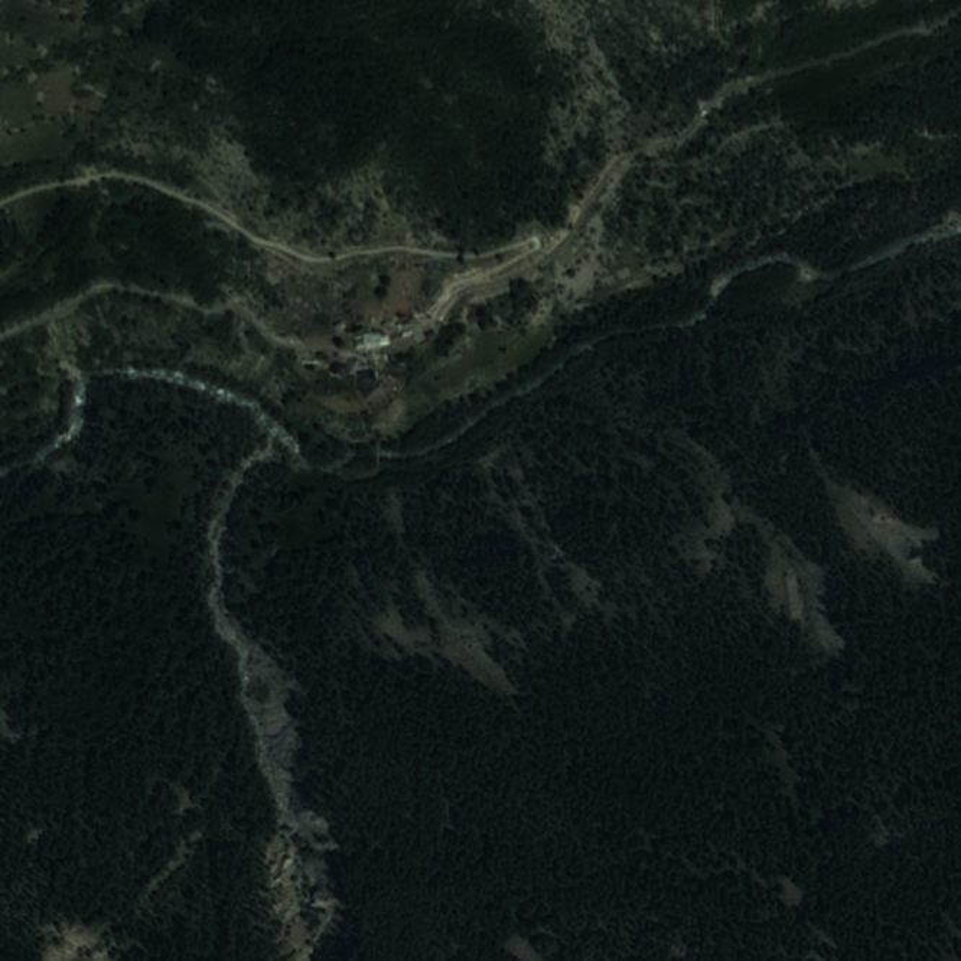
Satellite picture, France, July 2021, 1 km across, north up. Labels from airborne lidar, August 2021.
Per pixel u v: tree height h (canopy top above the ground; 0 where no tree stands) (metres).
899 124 7
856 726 16
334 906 0
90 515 12
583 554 9
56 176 7
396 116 8
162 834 21
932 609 18
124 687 10
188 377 8
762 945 16
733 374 23
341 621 10
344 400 0
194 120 0
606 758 21
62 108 0
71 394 16
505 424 13
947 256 7
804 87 6
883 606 18
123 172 6
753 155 10
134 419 8
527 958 0
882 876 15
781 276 9
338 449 21
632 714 21
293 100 8
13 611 8
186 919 12
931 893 10
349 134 13
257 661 0
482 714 19
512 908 26
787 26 9
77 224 11
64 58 10
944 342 27
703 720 23
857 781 13
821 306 9
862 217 16
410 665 13
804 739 19
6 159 0
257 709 0
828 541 13
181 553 7
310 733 21
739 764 25
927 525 7
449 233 6
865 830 13
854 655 15
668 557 9
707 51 10
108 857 18
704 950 18
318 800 20
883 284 7
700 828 19
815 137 9
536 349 0
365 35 6
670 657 17
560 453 19
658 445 14
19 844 18
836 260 10
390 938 21
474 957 22
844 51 7
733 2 6
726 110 8
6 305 13
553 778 19
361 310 0
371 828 22
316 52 9
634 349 12
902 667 18
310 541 0
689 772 25
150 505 0
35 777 9
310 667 16
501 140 11
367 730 23
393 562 22
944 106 9
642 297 13
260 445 10
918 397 14
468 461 15
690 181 17
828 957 13
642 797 23
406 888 25
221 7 12
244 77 7
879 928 22
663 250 14
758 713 23
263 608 18
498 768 21
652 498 26
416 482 10
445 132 7
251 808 28
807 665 11
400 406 0
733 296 11
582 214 0
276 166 8
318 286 0
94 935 0
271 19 6
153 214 11
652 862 24
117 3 6
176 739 26
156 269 8
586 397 6
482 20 6
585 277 0
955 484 9
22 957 18
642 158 6
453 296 0
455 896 24
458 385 0
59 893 25
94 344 6
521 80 10
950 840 17
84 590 8
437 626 12
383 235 0
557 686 20
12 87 0
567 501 16
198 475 9
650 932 18
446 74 6
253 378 0
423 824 24
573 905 21
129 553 11
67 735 9
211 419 13
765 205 11
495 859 20
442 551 21
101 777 17
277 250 0
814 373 19
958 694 15
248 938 19
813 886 19
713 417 21
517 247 0
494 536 11
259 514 16
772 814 22
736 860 23
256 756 6
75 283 12
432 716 25
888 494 14
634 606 10
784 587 0
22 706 17
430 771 24
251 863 18
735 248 9
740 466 19
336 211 13
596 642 14
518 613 9
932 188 15
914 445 15
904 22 11
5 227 18
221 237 14
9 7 0
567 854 23
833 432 15
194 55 14
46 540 20
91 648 11
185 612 15
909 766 12
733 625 18
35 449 10
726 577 17
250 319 0
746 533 19
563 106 13
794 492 14
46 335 9
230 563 12
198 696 21
